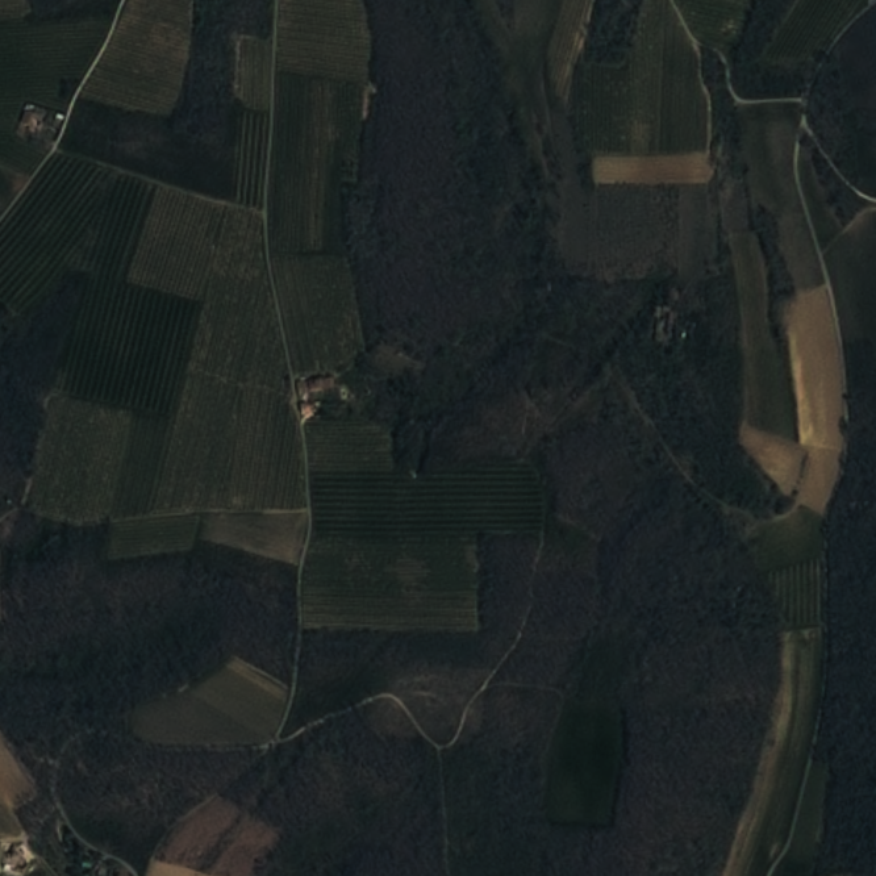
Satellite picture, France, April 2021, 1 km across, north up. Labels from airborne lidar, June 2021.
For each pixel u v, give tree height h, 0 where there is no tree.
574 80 0
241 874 0
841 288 0
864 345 11
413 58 15
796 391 0
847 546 16
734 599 16
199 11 11
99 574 8
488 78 24
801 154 0
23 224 5
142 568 10
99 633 19
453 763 10
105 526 12
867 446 16
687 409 18
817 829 0
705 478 21
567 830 14
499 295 20
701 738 17
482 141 11
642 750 18
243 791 14
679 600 24
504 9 10
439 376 17
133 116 7
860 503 13
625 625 10
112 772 16
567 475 15
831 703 16
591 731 0
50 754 23
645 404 13
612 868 16
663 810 13
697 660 19
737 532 26
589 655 7
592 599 15
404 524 6
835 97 12
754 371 0
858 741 14
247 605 18
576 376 12
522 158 26
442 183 17
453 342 20
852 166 11
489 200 24
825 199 0
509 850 16
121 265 5
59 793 18
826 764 13
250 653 14
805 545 0
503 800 13
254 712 0
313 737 6
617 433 16
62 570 18
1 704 17
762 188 0
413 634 10
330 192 0
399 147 18
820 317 0
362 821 11
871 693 21
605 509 21
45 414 17
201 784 15
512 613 14
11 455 14
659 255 6
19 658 15
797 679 0
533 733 6
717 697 13
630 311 18
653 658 12
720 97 9
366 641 11
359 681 6
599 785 0
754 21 20
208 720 0
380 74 10
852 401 11
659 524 22
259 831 0
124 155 6
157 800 16
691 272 0
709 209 0
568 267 6
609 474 9
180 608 21
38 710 20
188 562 7
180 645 27
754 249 0
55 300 9
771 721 14
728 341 6
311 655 12
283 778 15
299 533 0
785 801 0
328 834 13
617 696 10
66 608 9
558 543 6
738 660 18
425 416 7
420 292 16
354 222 8
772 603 20
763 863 0
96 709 20
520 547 14
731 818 17
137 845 6
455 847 10
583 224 0
